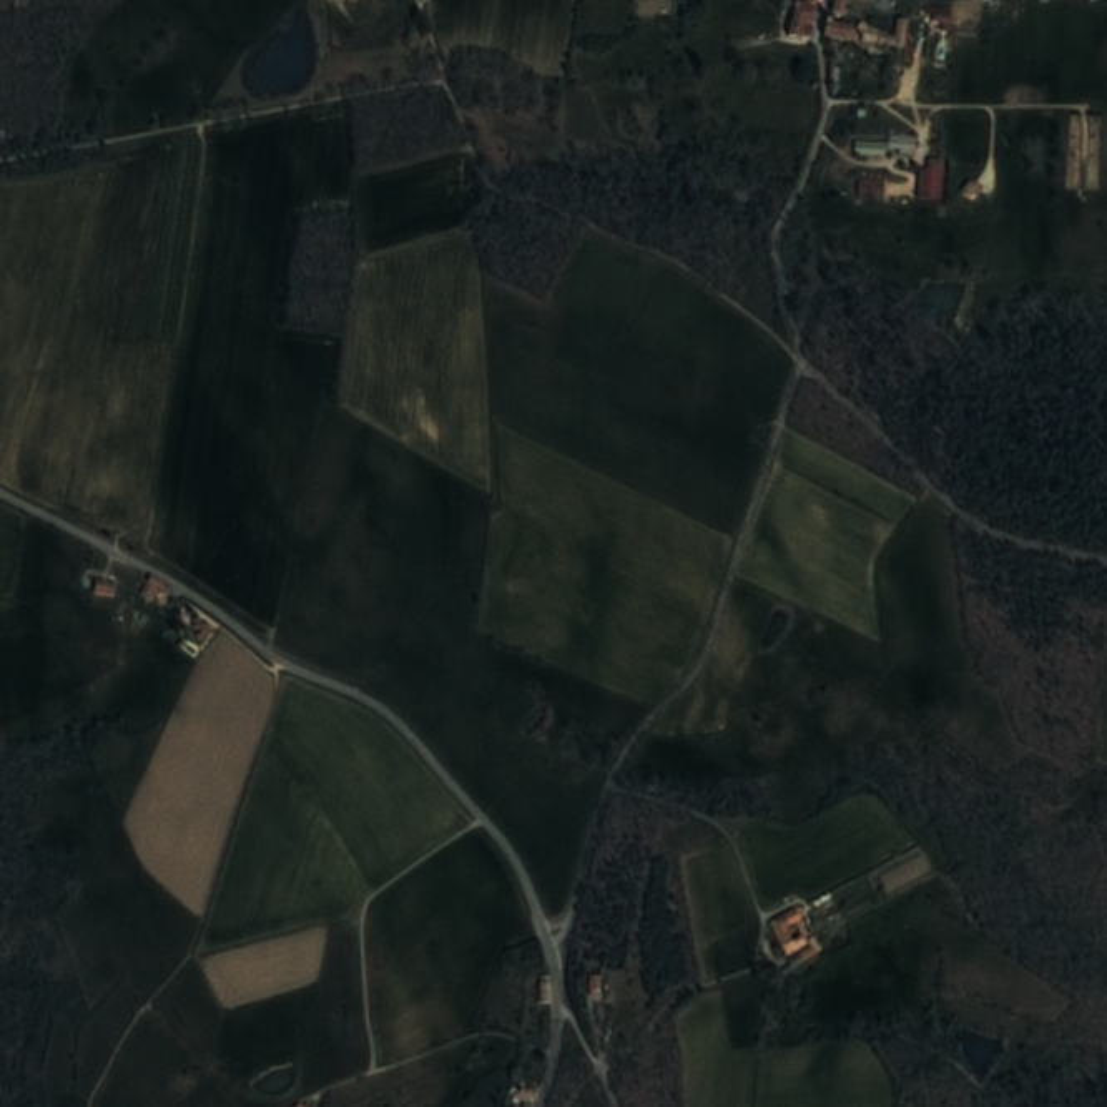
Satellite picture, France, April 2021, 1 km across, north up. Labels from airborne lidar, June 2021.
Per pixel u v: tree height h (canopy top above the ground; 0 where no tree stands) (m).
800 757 0
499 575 0
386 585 0
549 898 0
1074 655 9
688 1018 0
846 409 12
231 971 0
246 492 0
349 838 0
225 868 0
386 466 0
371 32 5
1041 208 0
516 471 0
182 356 0
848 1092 0
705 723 0
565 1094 8
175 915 0
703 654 0
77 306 0
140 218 0
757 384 0
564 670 0
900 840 0
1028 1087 23
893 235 0
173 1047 0
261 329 0
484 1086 0
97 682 0
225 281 0
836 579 0
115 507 0
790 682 0
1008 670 9
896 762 12
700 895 0
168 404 0
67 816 0
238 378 0
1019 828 11
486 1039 8
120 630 0
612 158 25
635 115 7
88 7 0
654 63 0
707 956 0
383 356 0
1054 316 26
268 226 0
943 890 0
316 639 0
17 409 0
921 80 0
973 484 14
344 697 0
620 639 0
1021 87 0
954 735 0
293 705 0
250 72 0
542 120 6
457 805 0
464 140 13
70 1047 0
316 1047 0
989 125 0
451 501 0
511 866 0
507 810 0
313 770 0
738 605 0
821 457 0
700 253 12
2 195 0
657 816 12
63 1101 0
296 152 0
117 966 0
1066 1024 13
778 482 0
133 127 0
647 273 0
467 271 0
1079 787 7
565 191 21
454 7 0
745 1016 0
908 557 0
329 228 18
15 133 9
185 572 0
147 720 0
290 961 0
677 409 0
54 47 12
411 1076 0
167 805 0
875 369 19
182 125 0
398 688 0
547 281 8
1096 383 29
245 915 0
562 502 0
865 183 0
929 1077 9
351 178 0
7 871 9
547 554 0
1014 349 18
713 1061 0
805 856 0
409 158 8
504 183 21
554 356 0
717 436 0
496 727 0
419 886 0
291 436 0
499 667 0
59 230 0
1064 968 8
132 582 0
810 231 11
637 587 0
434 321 0
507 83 22
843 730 0
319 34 0
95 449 0
